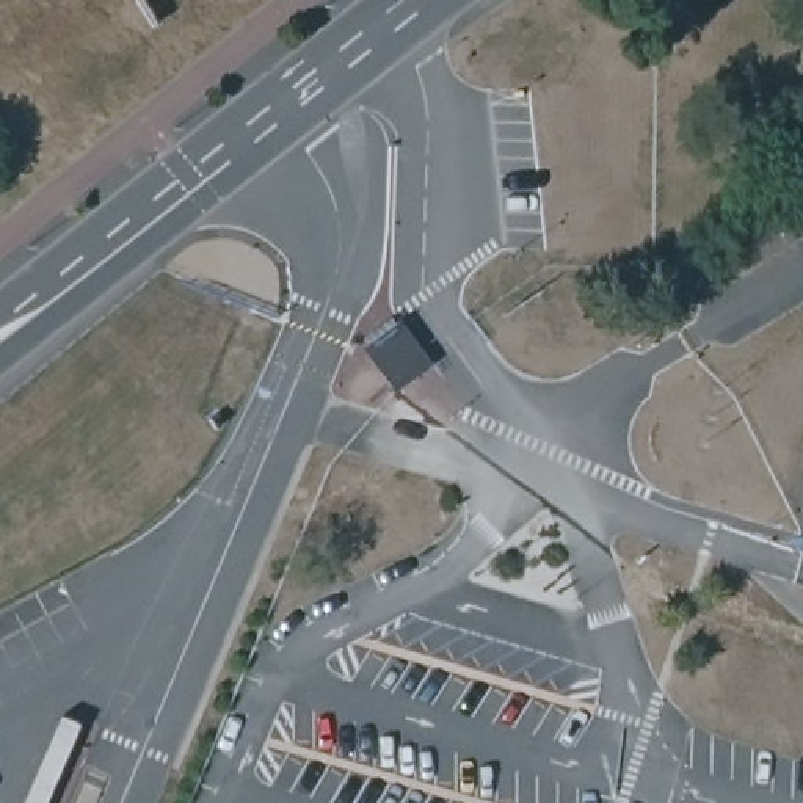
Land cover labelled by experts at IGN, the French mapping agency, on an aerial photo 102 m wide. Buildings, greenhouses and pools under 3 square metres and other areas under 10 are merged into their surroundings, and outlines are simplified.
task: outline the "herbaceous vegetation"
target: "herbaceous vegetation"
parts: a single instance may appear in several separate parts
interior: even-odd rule
[[[442,486],[449,480],[380,464],[373,449],[361,455],[326,442],[307,442],[298,455],[273,527],[263,540],[263,549],[248,577],[235,618],[226,630],[216,665],[188,721],[188,731],[176,753],[176,765],[185,768],[198,734],[216,743],[226,718],[223,709],[213,706],[213,696],[223,681],[226,662],[235,652],[245,662],[245,668],[254,668],[257,659],[263,659],[273,649],[273,637],[260,634],[245,630],[245,618],[260,596],[273,599],[273,624],[285,624],[295,609],[311,615],[314,605],[323,605],[323,596],[345,593],[351,583],[361,580],[376,580],[380,574],[386,574],[389,561],[417,555],[430,543],[452,543],[452,536],[461,527],[461,511],[442,508]]]
[[[756,521],[797,536],[803,533],[803,301],[778,314],[775,320],[756,326],[737,342],[706,342],[693,351],[684,351],[678,361],[659,367],[627,423],[627,458],[634,467],[630,480],[652,483],[652,496],[665,496],[712,511],[728,511],[743,521]]]
[[[712,565],[709,549],[690,555],[659,552],[637,558],[621,558],[618,552],[612,552],[615,571],[624,587],[624,605],[634,615],[630,624],[637,627],[646,668],[652,678],[668,684],[665,706],[681,712],[690,728],[728,740],[731,747],[747,747],[750,756],[759,756],[765,750],[768,759],[803,759],[803,627],[797,624],[797,615],[778,605],[753,577],[743,574],[743,568]],[[728,590],[731,599],[725,596],[715,609],[699,612],[690,590],[696,590],[709,571],[721,580],[721,590]],[[668,599],[687,618],[674,630],[656,624],[652,612],[662,599]],[[678,649],[687,640],[693,640],[706,652],[706,668],[681,671],[674,665]]]
[[[19,392],[0,392],[0,609],[16,609],[28,599],[38,599],[47,590],[60,590],[60,580],[69,583],[69,577],[91,568],[94,561],[129,552],[154,530],[160,530],[169,518],[176,518],[176,511],[194,496],[198,480],[223,449],[232,417],[238,414],[245,395],[254,392],[257,380],[263,380],[279,326],[270,323],[263,332],[238,320],[245,307],[276,314],[273,298],[260,298],[213,279],[157,276],[132,295],[125,295],[125,301],[104,314],[94,326],[88,326],[78,339],[72,339],[53,361],[47,361],[38,373],[25,380]]]
[[[235,31],[242,31],[242,25],[270,0],[0,0],[0,119],[13,125],[13,173],[19,176],[19,182],[0,194],[0,213],[19,213],[28,201],[35,201],[41,188],[63,176],[72,163],[78,163],[97,141],[104,141],[141,107],[157,100],[163,88],[176,85],[198,60],[210,56]]]
[[[621,282],[630,298],[643,298],[656,273],[656,263],[662,263],[665,279],[674,285],[674,301],[690,311],[703,301],[712,301],[715,292],[703,270],[690,263],[690,257],[678,248],[674,238],[678,229],[684,229],[709,204],[709,198],[718,194],[718,182],[709,176],[709,169],[681,147],[678,110],[696,85],[709,78],[721,82],[725,97],[740,107],[743,119],[753,119],[756,104],[775,100],[778,91],[803,88],[803,60],[790,50],[790,41],[781,38],[772,19],[778,0],[656,0],[668,16],[665,44],[671,44],[671,56],[640,69],[621,50],[627,35],[609,25],[602,16],[590,13],[580,0],[508,0],[492,16],[461,31],[458,44],[464,50],[477,50],[477,60],[471,66],[483,88],[518,88],[521,82],[533,82],[530,94],[536,104],[540,129],[536,169],[549,169],[549,182],[533,188],[533,194],[546,204],[549,235],[536,248],[514,248],[511,254],[499,254],[483,270],[477,270],[467,289],[467,307],[480,301],[486,323],[496,329],[489,342],[502,351],[502,358],[511,367],[540,376],[543,383],[571,383],[615,354],[649,354],[652,339],[593,326],[593,320],[583,317],[577,285]]]

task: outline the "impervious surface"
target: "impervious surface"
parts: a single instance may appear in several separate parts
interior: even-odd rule
[[[311,615],[295,609],[285,624],[273,624],[260,624],[260,634],[273,637],[273,649],[263,659],[257,659],[254,668],[245,668],[238,703],[232,706],[232,718],[226,718],[216,743],[220,750],[210,756],[191,803],[803,803],[803,759],[768,759],[765,750],[759,756],[750,756],[747,747],[731,747],[728,740],[690,728],[681,712],[665,706],[668,684],[652,678],[646,668],[637,627],[630,624],[634,615],[624,605],[624,587],[615,571],[612,552],[618,552],[621,558],[637,558],[659,552],[690,555],[709,549],[712,565],[743,568],[743,574],[753,577],[778,605],[797,615],[797,624],[803,627],[803,533],[797,536],[756,521],[743,521],[728,511],[712,511],[665,496],[652,496],[652,483],[630,480],[634,467],[627,458],[627,423],[659,367],[678,361],[684,351],[693,351],[706,342],[737,342],[756,326],[775,320],[778,314],[803,301],[803,242],[787,242],[781,235],[768,238],[759,248],[756,263],[743,267],[728,289],[715,292],[712,301],[703,301],[690,311],[684,323],[652,339],[649,354],[615,354],[571,383],[543,383],[540,376],[511,367],[502,358],[502,351],[489,342],[496,329],[486,323],[480,301],[467,307],[467,289],[477,270],[483,270],[499,254],[511,254],[514,248],[536,248],[549,235],[546,204],[533,194],[533,188],[549,182],[549,169],[536,169],[540,129],[536,104],[530,94],[533,82],[521,82],[518,88],[483,88],[471,66],[477,60],[477,50],[464,50],[458,44],[461,31],[492,16],[508,0],[270,0],[242,25],[242,31],[235,31],[210,56],[198,60],[176,85],[163,88],[157,100],[141,107],[104,141],[97,141],[78,163],[72,163],[63,176],[41,188],[35,201],[28,201],[19,213],[0,213],[0,392],[19,392],[25,380],[38,373],[47,361],[53,361],[72,339],[78,339],[88,326],[94,326],[104,314],[125,301],[125,295],[132,295],[157,276],[213,279],[260,298],[273,298],[276,314],[245,307],[238,320],[263,332],[270,323],[279,326],[263,380],[257,380],[254,392],[245,395],[238,414],[232,417],[223,449],[198,480],[194,496],[176,511],[176,518],[169,518],[160,530],[154,530],[129,552],[94,561],[91,568],[69,577],[69,583],[60,580],[60,590],[47,590],[38,599],[28,599],[16,609],[0,609],[0,803],[166,803],[163,794],[169,790],[176,765],[176,753],[188,731],[188,721],[216,665],[226,630],[235,618],[248,577],[263,549],[263,540],[273,527],[298,455],[307,442],[326,442],[361,455],[373,449],[380,464],[449,480],[442,486],[442,508],[461,511],[461,527],[452,536],[452,543],[430,543],[417,555],[389,561],[386,574],[380,574],[376,580],[361,580],[351,583],[345,593],[323,596],[323,605],[314,605]],[[383,342],[395,329],[395,323],[402,323],[423,348],[423,354],[433,361],[433,367],[411,380],[405,389],[392,389],[392,383],[370,358],[370,348]],[[524,552],[524,574],[514,580],[499,577],[492,571],[496,558],[505,549]]]

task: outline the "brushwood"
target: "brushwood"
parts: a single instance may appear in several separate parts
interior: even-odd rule
[[[163,794],[166,803],[191,803],[210,756],[220,750],[216,743],[198,734],[185,768],[176,765],[169,790]]]
[[[232,718],[232,706],[238,703],[245,668],[245,662],[235,652],[226,662],[223,681],[213,696],[213,706],[223,709],[226,718]]]
[[[245,618],[245,630],[260,634],[260,624],[273,624],[273,599],[260,596]]]

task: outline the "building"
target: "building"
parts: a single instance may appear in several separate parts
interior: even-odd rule
[[[392,383],[392,389],[405,389],[411,380],[433,367],[433,361],[423,354],[423,348],[402,323],[395,323],[395,329],[383,342],[370,348],[370,358]]]

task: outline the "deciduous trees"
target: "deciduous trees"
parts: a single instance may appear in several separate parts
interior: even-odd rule
[[[721,590],[721,580],[709,571],[696,590],[690,590],[699,612],[715,609],[725,596],[731,599],[728,590]]]
[[[790,50],[803,60],[803,0],[778,0],[772,19],[781,38],[790,41]]]
[[[706,652],[693,640],[687,640],[678,649],[674,665],[681,671],[706,668]]]
[[[496,558],[492,571],[499,577],[514,580],[524,574],[524,552],[505,549]]]
[[[674,301],[674,285],[665,279],[662,263],[656,263],[656,273],[643,298],[630,298],[621,282],[577,285],[583,317],[593,320],[593,326],[652,339],[684,323],[690,311]]]
[[[627,35],[621,50],[640,69],[671,56],[671,44],[665,44],[668,16],[656,0],[580,0],[590,13],[602,16],[609,25]]]
[[[0,119],[0,194],[19,182],[19,176],[13,173],[13,125]]]
[[[709,176],[718,182],[718,194],[709,198],[709,204],[684,229],[678,229],[674,238],[678,248],[690,257],[690,263],[703,270],[715,292],[728,289],[743,267],[756,263],[759,248],[768,238],[781,235],[787,242],[803,242],[803,88],[778,91],[775,100],[756,104],[753,119],[743,119],[740,107],[725,97],[721,82],[709,78],[696,85],[678,110],[681,147],[709,169]]]
[[[668,599],[662,599],[652,612],[656,624],[674,630],[687,618]]]

